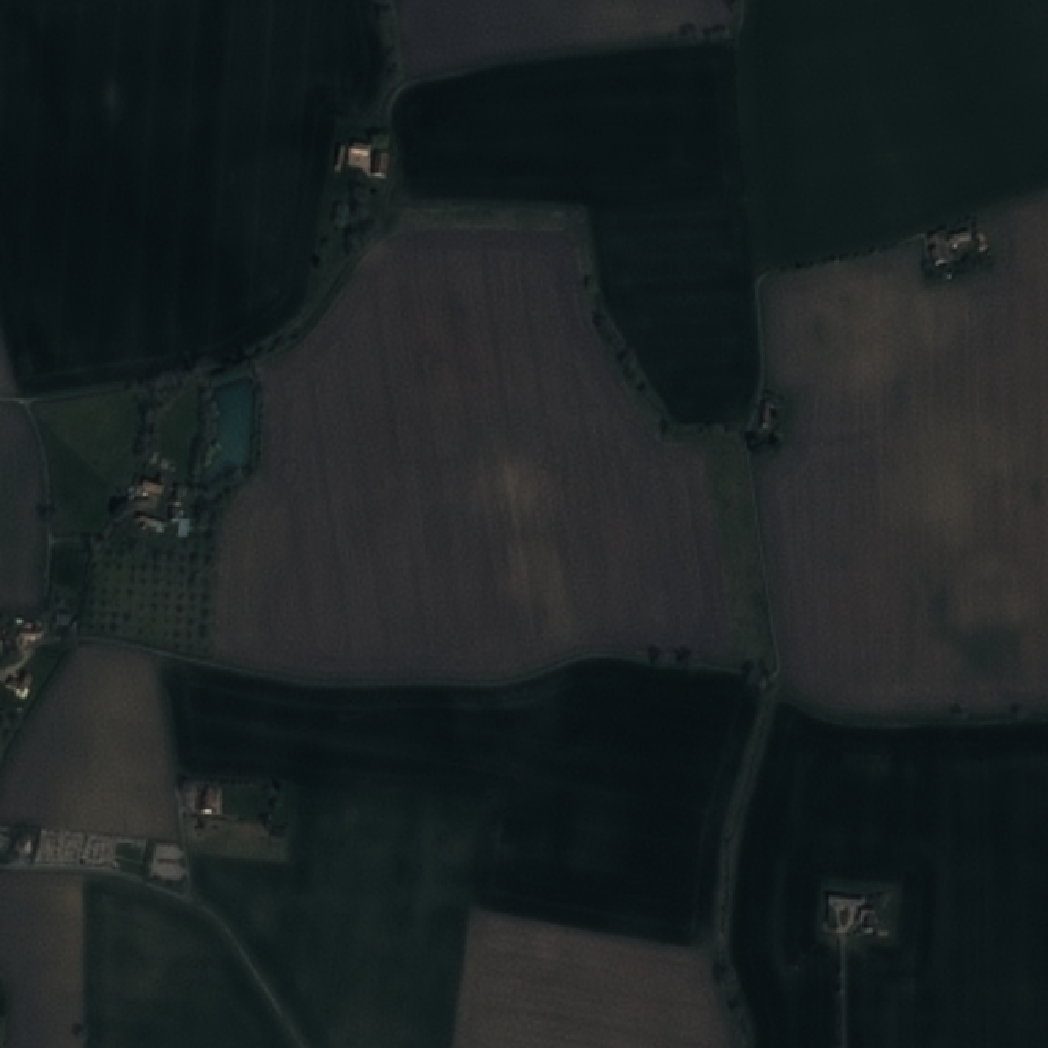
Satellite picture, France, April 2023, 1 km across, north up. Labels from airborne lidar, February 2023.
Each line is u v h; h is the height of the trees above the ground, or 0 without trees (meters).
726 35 10
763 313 0
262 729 0
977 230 10
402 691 0
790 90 0
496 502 0
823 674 0
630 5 0
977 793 0
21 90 0
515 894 0
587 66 0
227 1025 0
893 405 0
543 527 0
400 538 0
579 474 0
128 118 0
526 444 0
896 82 0
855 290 0
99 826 0
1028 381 0
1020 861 0
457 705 0
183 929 0
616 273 0
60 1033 0
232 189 0
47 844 0
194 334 0
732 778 0
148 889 0
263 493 0
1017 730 0
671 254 0
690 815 0
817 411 0
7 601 0
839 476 0
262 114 0
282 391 0
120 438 0
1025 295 0
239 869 0
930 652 0
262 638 0
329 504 0
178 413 0
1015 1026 0
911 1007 0
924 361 0
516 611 0
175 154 0
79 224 0
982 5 0
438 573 0
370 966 0
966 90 0
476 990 0
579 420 0
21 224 0
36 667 0
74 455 0
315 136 0
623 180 0
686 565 0
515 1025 0
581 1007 0
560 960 0
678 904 0
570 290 0
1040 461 0
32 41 0
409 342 0
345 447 0
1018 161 0
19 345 0
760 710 0
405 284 0
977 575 0
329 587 0
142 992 0
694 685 0
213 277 0
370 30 0
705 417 0
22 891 0
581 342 0
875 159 0
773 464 0
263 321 0
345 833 0
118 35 0
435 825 0
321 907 0
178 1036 0
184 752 0
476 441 0
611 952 0
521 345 0
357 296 0
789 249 0
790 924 0
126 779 0
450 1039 0
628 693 0
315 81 0
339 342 0
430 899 0
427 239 0
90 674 0
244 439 0
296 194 0
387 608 0
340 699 0
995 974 0
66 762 0
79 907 0
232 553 0
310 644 0
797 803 0
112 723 0
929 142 0
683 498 0
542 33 0
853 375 0
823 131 0
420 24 0
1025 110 0
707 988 0
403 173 0
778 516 0
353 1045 0
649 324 0
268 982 0
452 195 0
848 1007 0
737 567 0
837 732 0
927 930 0
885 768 0
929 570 0
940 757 0
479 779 0
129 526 0
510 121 0
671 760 0
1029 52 0
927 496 0
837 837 0
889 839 0
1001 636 0
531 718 0
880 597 0
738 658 0
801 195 0
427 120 0
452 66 0
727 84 0
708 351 0
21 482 0
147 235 0
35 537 0
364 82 0
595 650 0
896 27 0
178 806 0
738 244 0
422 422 0
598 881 0
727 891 0
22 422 0
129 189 0
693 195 0
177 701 0
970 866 0
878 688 0
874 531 0
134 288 0
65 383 0
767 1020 0
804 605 0
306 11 0
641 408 0
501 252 0
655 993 0
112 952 0
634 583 0
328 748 0
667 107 0
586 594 0
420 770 0
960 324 0
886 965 0
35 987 0
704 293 0
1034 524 0
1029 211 0
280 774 0
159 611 7
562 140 0
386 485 0
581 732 0
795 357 0
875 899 6
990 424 0
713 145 0
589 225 0
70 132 0
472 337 0
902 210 0
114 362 0
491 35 0
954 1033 0
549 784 0
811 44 0
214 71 0
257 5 0
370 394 0
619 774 0
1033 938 0
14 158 0
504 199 0
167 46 0
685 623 0
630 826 0
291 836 0
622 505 0
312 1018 0
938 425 0
